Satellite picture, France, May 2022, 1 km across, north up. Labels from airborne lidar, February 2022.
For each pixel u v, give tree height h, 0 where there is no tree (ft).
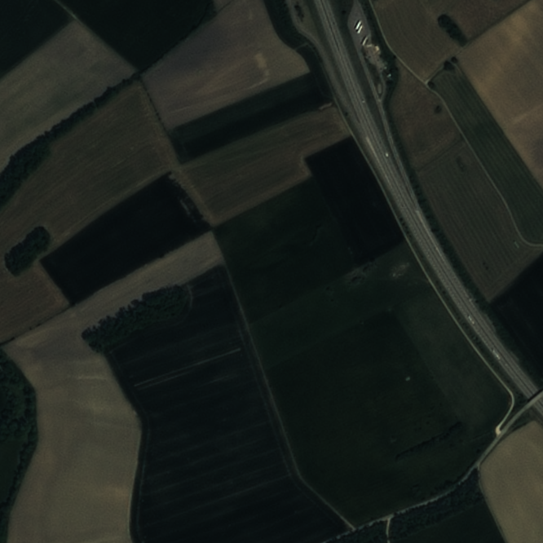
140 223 0
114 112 0
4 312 0
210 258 0
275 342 0
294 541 0
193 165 0
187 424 0
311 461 0
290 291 0
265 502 0
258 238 0
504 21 0
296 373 0
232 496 0
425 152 0
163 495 0
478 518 0
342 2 0
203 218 0
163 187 0
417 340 0
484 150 0
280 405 0
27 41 0
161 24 0
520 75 0
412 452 23
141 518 0
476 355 0
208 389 0
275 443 0
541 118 0
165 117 0
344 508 0
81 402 0
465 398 0
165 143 0
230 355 0
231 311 0
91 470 0
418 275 0
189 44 0
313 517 0
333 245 0
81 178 0
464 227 0
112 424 0
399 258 0
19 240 0
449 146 0
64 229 0
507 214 0
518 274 0
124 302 0
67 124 50
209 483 0
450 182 0
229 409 0
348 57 0
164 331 0
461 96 0
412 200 0
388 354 0
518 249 0
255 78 0
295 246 0
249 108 0
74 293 0
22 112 0
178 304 54
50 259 0
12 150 0
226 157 0
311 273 0
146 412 0
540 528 0
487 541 0
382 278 0
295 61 0
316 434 0
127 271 0
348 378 0
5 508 54
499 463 0
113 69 0
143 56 0
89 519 0
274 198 0
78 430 0
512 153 0
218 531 0
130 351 0
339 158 0
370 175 0
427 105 0
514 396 0
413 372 0
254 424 0
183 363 0
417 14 0
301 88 0
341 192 0
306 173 0
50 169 0
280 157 0
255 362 0
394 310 0
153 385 0
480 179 0
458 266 21
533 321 0
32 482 0
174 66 0
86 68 0
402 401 0
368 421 0
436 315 0
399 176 0
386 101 0
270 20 0
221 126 0
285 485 0
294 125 0
